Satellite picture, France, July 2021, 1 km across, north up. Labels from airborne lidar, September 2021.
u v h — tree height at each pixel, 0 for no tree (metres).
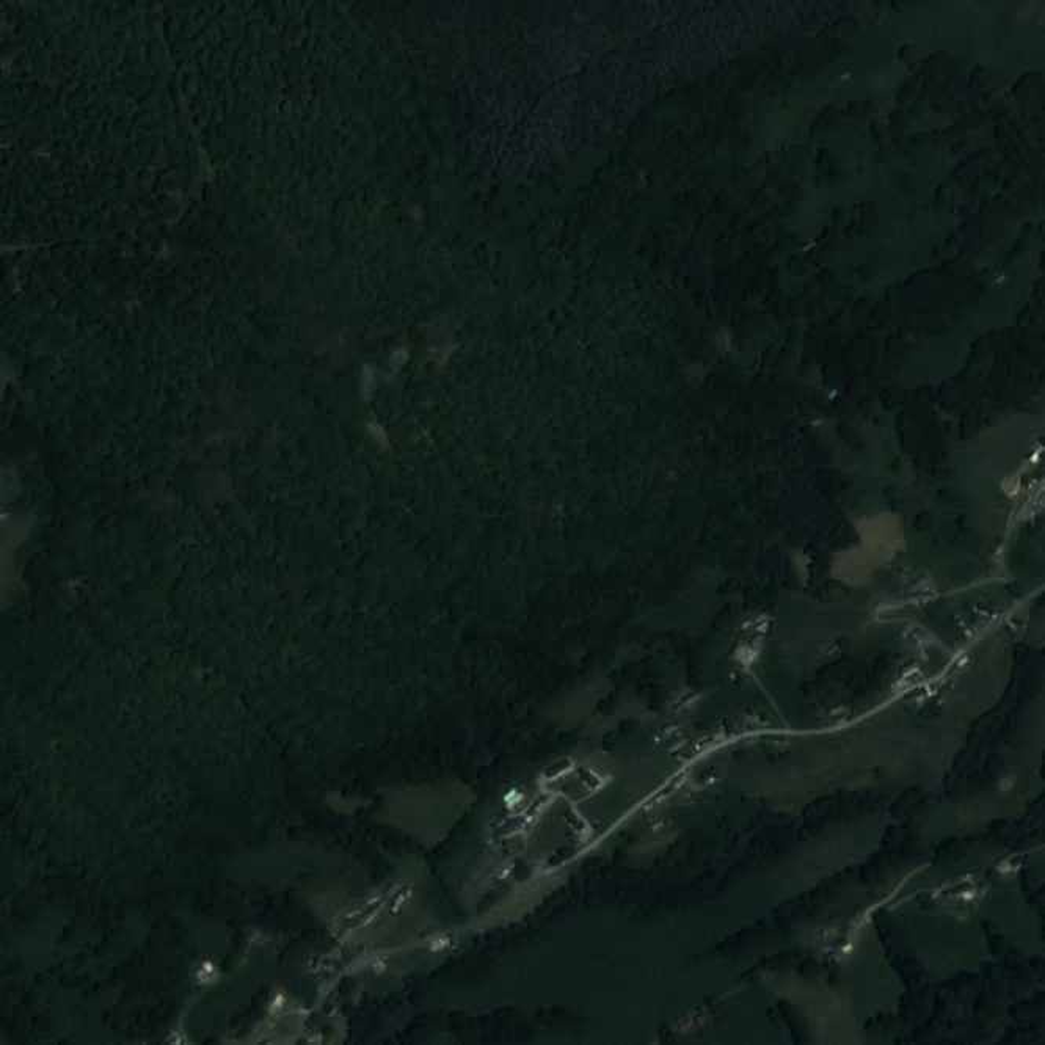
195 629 20
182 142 13
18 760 13
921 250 0
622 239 29
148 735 28
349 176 20
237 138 21
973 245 25
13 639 7
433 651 21
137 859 26
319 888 0
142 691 17
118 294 19
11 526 0
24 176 20
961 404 20
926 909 7
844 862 0
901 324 18
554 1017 13
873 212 21
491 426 15
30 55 10
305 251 13
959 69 20
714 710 0
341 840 12
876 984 0
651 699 12
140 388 19
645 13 20
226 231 13
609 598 23
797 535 17
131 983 17
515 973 0
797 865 0
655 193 25
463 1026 18
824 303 14
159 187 19
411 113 20
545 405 17
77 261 20
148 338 16
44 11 21
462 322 12
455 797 0
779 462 16
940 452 21
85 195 20
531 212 9
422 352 14
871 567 0
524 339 23
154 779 22
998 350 23
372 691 20
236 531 12
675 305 33
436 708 21
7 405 14
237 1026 14
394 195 12
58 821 19
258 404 16
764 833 17
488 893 7
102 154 12
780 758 10
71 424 22
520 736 29
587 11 20
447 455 17
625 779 0
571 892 14
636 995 0
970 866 0
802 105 0
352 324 8
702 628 0
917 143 19
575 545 20
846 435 17
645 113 27
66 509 25
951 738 0
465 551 13
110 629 20
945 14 0
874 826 0
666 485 20
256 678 13
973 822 0
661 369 18
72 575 27
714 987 0
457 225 8
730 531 30
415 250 21
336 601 8
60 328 24
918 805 13
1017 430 0
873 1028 16
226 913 18
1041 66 0
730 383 23
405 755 25
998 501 0
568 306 13
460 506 6
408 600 20
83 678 19
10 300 22
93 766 23
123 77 19
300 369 6
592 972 0
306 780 15
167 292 15
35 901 24
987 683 0
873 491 0
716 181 19
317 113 20
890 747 0
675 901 19
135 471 18
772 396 21
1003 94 23
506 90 21
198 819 31
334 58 21
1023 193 19
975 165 18
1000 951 19
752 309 24
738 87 23
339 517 17
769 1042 0
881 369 22
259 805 22
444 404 18
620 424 15
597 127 20
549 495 17
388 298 9
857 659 9
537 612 21
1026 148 22
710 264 31
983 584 0
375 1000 8
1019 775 0
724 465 17
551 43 19
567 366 20
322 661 17
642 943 0
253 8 18
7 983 9
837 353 26
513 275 6
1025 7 0
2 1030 15
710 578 0
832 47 29
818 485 19
